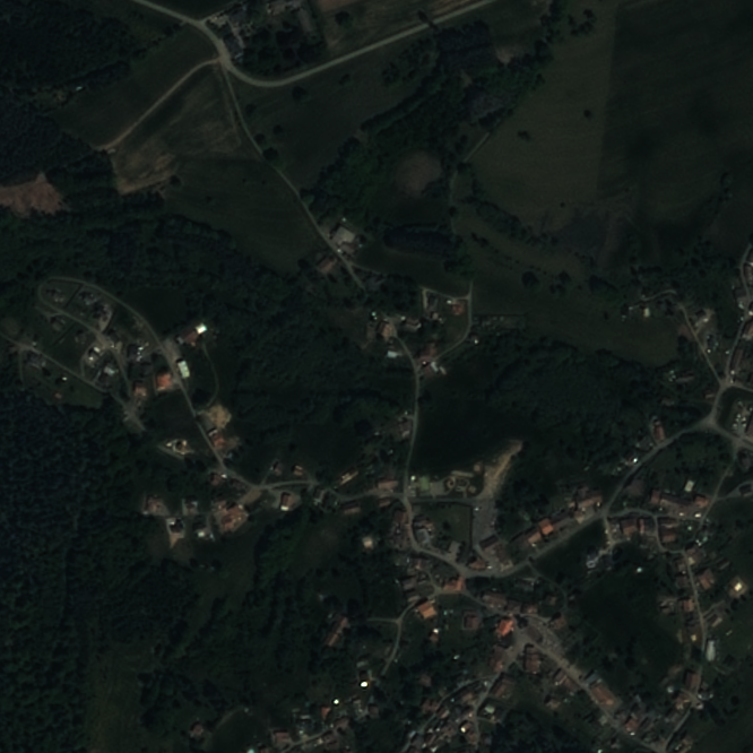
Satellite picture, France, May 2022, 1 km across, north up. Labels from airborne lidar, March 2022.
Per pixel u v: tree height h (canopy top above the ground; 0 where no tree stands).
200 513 0
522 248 0
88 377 0
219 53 0
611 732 0
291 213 0
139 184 0
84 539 23
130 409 0
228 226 0
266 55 16
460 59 34
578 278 0
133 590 10
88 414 17
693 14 0
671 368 10
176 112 0
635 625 0
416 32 0
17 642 13
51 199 0
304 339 16
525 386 19
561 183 0
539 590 9
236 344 9
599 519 0
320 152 0
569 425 19
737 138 0
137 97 0
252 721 0
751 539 0
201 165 0
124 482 15
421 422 0
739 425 0
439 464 0
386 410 17
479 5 0
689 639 0
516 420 0
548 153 0
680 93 0
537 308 0
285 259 0
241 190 0
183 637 25
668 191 0
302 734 0
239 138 0
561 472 0
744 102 0
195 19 0
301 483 0
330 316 0
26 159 30
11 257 17
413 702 20
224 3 0
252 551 0
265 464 0
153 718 21
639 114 0
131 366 5
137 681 0
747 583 0
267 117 0
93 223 22
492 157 0
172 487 19
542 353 19
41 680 16
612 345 0
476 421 0
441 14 0
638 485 0
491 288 0
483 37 22
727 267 15
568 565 0
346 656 11
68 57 13
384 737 0
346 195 26
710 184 0
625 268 0
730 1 0
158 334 0
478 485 0
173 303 0
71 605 24
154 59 0
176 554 0
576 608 14
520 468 7
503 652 0
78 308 0
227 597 5
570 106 0
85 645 20
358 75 0
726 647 0
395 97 0
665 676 0
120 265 27
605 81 0
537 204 0
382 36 0
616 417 15
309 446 0
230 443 0
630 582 0
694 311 0
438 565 10
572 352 14
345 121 0
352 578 0
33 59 15
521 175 0
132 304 0
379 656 0
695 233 0
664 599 0
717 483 0
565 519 0
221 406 0
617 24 0
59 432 27
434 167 0
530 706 0
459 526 0
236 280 23
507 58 0
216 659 6
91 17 12
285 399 0
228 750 0
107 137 0
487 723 0
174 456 0
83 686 13
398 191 0
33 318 0
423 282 0
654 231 0
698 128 0
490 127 17
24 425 29
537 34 0
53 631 18
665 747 0
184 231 28
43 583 29
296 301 32
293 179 0
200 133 0
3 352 0
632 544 0
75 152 16
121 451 14
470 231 0
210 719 0
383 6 0
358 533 9
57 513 17
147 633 10
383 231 8
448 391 0
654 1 0
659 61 0
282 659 18
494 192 0
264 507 0
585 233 0
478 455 0
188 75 0
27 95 10
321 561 0
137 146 0
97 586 16
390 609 0
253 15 20
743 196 0
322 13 0
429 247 27
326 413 16
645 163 0
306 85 0
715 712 25
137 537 7
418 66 11
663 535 0
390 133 22
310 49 16
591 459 7
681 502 0
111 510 9
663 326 0
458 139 0
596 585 0
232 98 0
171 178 0
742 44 0
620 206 0
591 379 17
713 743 0
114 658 0
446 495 0
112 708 0
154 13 0
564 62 0
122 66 19
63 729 16
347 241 0
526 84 25
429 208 0
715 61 0
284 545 29
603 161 0
